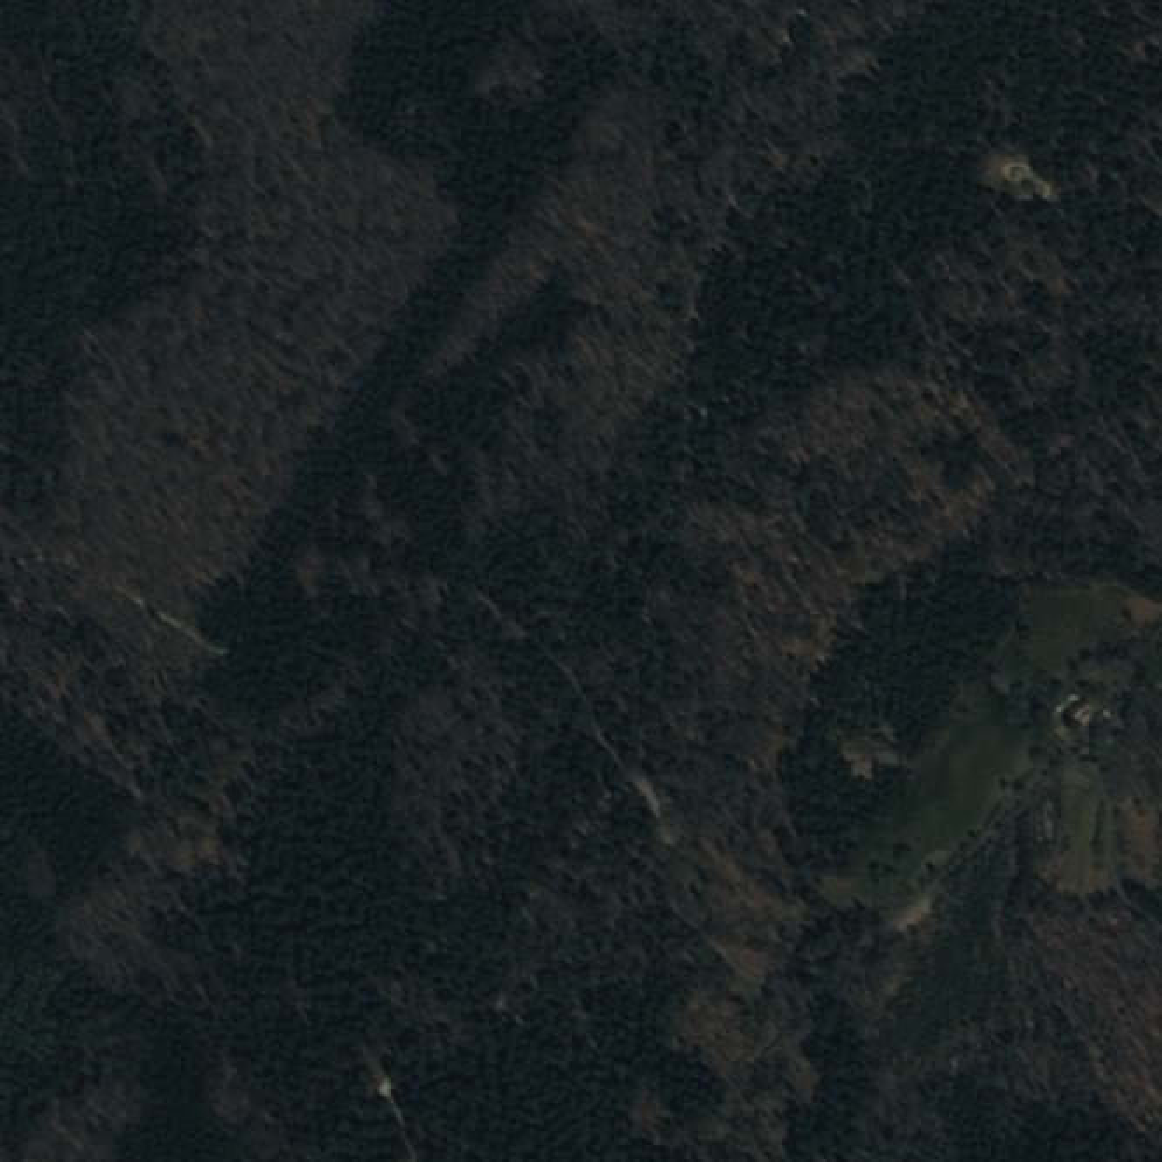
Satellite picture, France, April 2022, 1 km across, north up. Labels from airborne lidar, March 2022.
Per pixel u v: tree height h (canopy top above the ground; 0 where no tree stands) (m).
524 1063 28
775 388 17
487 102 23
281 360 27
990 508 9
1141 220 22
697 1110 33
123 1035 25
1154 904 24
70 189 17
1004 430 23
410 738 21
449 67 29
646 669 23
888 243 30
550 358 16
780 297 22
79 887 30
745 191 16
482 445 29
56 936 32
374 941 26
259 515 22
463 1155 24
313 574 24
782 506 25
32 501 29
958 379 30
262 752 20
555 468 20
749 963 0
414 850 21
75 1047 21
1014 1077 23
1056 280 23
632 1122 13
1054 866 12
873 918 6
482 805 21
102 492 26
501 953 25
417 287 26
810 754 26
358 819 23
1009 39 30
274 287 22
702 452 31
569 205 27
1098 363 31
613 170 28
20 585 23
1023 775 0
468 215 25
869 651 22
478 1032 23
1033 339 24
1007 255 26
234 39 25
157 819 22
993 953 10
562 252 27
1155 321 6
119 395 29
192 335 24
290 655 27
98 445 23
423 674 24
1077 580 26
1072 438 22
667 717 24
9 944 29
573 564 24
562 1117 25
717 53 23
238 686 25
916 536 26
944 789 0
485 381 29
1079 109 18
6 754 30
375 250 26
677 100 32
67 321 25
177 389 24
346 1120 25
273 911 32
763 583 25
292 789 23
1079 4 28
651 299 21
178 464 26
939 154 18
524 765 23
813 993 26
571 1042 31
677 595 23
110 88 15
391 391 35
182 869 22
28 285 19
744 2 23
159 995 30
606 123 24
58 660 22
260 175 22
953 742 0
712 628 25
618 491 19
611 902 24
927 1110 21
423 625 21
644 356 20
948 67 28
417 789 20
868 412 20
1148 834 0
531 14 30
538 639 26
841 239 28
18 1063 26
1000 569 22
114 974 25
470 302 22
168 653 24
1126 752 23
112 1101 24
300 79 25
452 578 26
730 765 14
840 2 25
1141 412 18
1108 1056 24
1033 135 26
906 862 16
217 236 23
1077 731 22
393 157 22
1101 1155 31
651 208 23
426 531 32
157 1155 29
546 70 26
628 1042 36
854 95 19
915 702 16
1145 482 25
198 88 22
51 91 20
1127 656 13
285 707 22
